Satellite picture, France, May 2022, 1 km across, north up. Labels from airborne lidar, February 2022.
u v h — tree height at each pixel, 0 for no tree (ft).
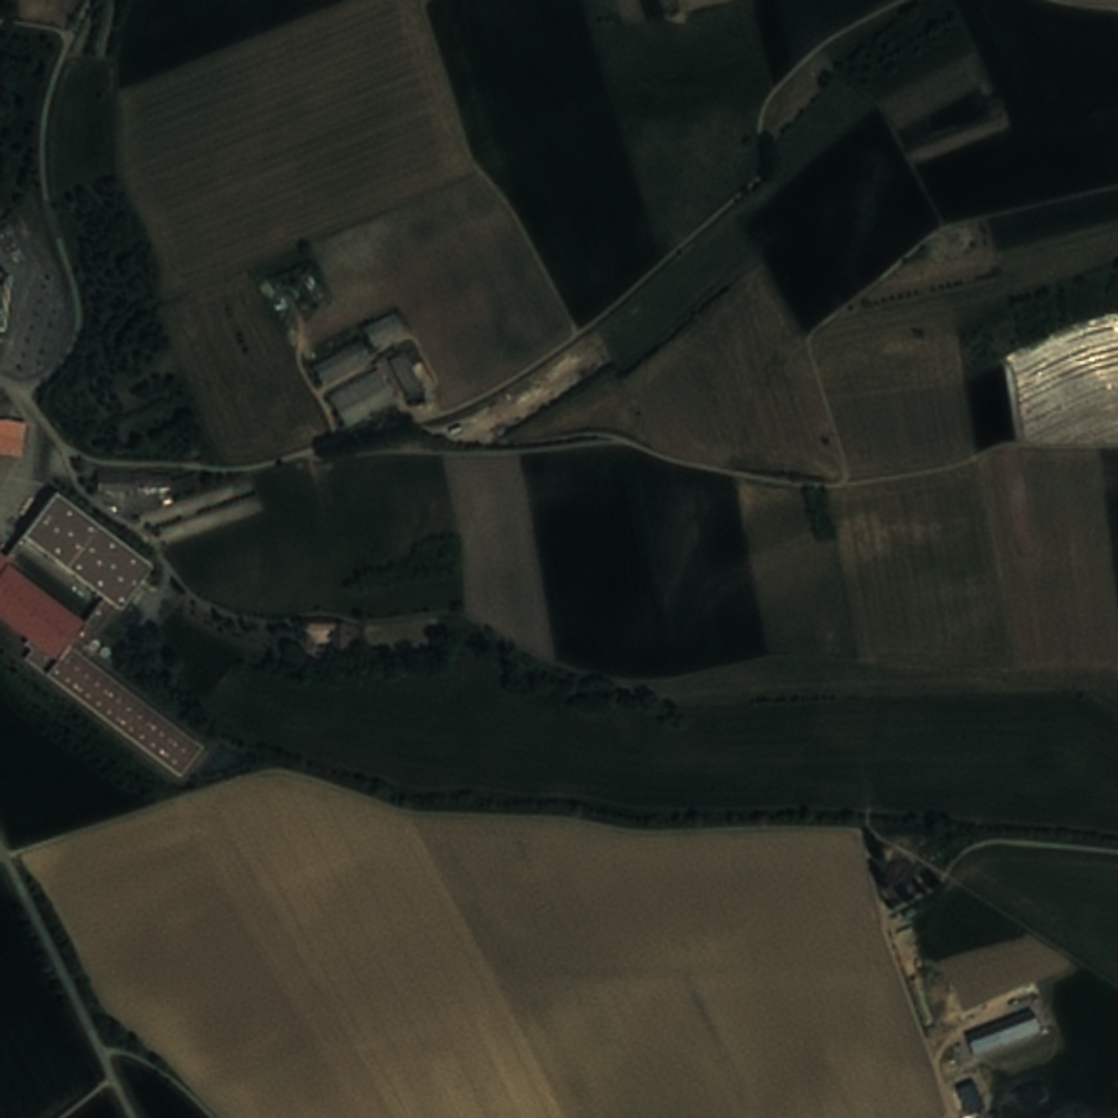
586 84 0
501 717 0
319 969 0
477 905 0
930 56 0
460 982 0
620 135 0
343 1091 0
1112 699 0
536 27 0
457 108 0
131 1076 0
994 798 0
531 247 0
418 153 0
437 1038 0
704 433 0
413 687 0
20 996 0
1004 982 0
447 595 0
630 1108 0
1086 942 0
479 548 0
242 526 0
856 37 0
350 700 0
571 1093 0
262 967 0
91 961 0
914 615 0
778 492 0
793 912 0
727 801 0
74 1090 0
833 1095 0
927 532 0
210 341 0
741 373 0
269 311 0
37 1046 0
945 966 0
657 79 0
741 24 0
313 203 0
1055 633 0
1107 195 0
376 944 0
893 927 0
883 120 0
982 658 0
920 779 0
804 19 0
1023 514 0
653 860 0
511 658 42
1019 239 0
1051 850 0
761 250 0
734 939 0
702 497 0
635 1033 0
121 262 42
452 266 0
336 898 0
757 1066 0
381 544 0
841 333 0
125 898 0
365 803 0
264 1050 0
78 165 0
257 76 0
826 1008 0
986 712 0
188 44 0
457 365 0
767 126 0
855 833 0
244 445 0
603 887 0
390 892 0
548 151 0
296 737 0
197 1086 0
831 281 0
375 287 0
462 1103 0
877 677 0
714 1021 0
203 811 0
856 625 0
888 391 0
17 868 0
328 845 0
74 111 0
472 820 0
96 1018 28
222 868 0
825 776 0
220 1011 0
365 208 0
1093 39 0
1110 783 0
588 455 0
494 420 0
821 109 0
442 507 0
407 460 0
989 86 0
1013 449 0
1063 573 0
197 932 0
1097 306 0
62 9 0
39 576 0
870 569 0
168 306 0
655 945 0
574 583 0
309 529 0
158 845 0
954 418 0
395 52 0
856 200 0
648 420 0
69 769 0
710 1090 0
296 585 0
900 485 0
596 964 0
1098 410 0
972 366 0
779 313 0
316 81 0
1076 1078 0
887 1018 0
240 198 0
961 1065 0
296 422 0
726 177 0
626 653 0
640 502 0
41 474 0
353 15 0
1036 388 0
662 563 0
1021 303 31
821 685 0
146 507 0
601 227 0
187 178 0
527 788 0
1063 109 0
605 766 0
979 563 0
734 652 0
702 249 0
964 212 0
